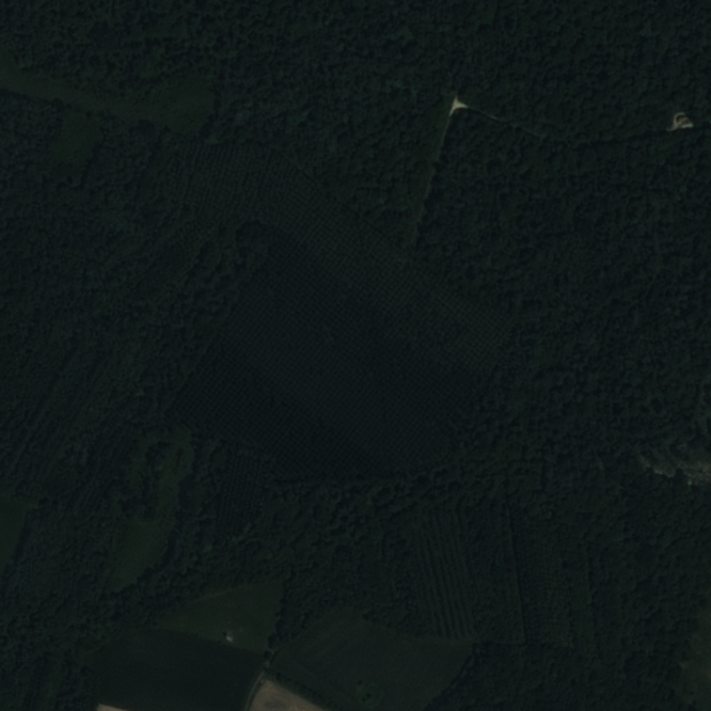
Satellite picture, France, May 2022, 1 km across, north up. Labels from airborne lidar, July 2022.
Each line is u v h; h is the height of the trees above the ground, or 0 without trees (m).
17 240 25
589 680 22
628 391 29
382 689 0
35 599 29
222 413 25
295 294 29
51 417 19
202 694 0
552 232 18
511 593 17
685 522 22
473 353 23
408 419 28
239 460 25
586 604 16
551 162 25
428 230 22
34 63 16
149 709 0
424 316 26
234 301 18
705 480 27
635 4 18
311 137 20
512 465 19
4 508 0
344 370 30
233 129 19
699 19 27
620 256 22
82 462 23
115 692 0
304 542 28
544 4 21
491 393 25
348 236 22
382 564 18
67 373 15
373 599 19
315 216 20
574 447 22
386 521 24
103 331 25
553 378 23
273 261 31
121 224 21
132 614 19
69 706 15
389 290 24
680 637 23
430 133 24
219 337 29
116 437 26
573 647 15
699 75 16
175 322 27
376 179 9
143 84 26
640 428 12
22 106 33
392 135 21
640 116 25
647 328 10
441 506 16
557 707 23
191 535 23
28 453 17
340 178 21
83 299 18
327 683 0
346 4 8
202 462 21
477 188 20
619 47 22
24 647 23
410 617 18
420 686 0
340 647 0
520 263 12
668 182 29
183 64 16
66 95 0
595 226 14
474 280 27
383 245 23
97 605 22
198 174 22
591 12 15
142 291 15
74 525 19
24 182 25
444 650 0
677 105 24
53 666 18
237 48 21
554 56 29
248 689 0
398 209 26
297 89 25
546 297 14
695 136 13
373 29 26
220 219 20
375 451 28
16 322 21
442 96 25
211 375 24
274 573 16
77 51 25
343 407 27
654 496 22
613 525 20
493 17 11
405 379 29
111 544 8
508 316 23
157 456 26
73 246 32
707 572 20
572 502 26
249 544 21
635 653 23
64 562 19
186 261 16
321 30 27
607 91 23
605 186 20
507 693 21
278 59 17
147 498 25
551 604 25
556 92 23
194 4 9
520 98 21
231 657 0
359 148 30
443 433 29
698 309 26
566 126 25
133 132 17
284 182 21
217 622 0
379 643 0
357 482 14
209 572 20
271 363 27
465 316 22
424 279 23
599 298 19
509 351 12
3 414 18
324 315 29
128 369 17
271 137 24
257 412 25
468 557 22
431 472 18
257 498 23
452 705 24
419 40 27
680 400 26
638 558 29
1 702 26
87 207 16
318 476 26
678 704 23
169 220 27
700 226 28
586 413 28
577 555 22
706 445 18
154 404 30
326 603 19
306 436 28
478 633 20
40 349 15
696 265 6
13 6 16
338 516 11
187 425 25
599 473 26
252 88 16
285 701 0
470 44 28
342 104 26
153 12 14
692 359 19
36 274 26
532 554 17
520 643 15
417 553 25
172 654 0
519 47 20
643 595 24
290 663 0
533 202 16
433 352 25
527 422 8
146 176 25
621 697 23
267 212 21
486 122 20
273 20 23
